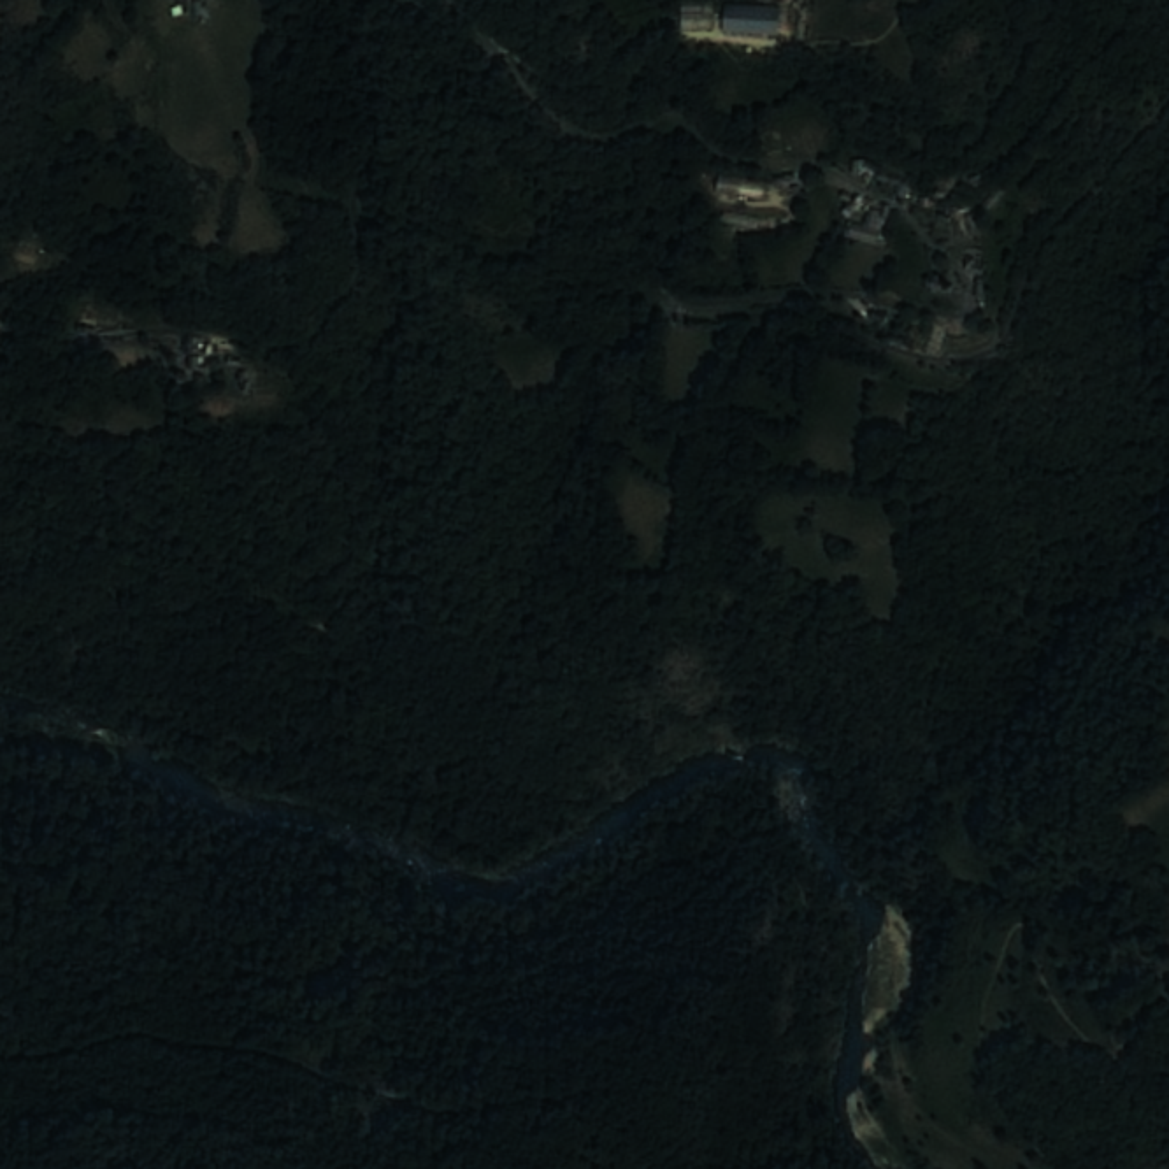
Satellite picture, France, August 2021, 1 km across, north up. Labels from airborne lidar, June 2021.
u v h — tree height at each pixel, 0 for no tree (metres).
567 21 12
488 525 16
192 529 15
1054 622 22
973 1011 0
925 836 27
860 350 6
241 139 11
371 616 23
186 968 17
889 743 11
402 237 15
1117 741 22
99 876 33
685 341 0
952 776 24
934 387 0
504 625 19
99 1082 13
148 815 20
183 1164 22
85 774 31
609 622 17
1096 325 23
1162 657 18
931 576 16
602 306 19
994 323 10
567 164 24
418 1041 15
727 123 17
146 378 15
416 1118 19
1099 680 20
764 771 19
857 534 0
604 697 22
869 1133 0
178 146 0
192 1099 21
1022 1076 21
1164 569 23
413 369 23
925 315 9
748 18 0
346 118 21
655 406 20
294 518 12
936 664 23
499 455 17
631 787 10
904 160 21
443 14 21
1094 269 24
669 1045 22
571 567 14
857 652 22
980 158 16
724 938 9
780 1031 6
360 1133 18
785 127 0
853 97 17
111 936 21
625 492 0
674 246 8
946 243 7
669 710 13
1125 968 11
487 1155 29
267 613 18
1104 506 21
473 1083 21
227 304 21
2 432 25
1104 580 39
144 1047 15
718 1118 21
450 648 19
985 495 19
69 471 19
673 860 11
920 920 20
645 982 13
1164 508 16
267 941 30
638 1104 23
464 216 15
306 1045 16
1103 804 18
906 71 0
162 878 20
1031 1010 0
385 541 24
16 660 21
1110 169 13
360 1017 23
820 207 0
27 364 27
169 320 15
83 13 14
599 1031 26
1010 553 24
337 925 23
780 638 16
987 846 16
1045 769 19
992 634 18
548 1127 25
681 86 27
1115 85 15
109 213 10
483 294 13
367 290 14
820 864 12
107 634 18
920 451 19
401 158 16
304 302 19
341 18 22
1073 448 21
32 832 9
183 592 10
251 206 0
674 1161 22
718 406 23
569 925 11
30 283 10
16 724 10
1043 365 10
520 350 0
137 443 16
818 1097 10
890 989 0
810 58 18
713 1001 21
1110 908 20
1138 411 22
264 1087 11
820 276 21
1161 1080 19
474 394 20
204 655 22
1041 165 11
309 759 27
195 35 0
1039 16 18
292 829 8
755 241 13
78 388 19
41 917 27
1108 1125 23
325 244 18
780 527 0
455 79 9
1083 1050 13
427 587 16
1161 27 18
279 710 16
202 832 31
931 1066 0
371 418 24
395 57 18
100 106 0
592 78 16
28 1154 22
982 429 18
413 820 26
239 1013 9
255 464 15
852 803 16
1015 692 24
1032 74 20
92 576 22
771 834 12
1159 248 22
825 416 0
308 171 12
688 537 22
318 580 13
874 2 0
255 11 0
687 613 23
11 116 12
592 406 30
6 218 20
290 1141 18
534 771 20
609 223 15
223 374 13
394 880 17
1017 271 16
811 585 8
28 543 15
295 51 23
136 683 24
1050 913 18
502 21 19
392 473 19
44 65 20
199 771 10
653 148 22
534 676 21
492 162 16
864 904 0
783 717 21
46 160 17
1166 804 0
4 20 7
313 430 15
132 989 26
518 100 21
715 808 17
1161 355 33
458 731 22
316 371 21
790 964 6
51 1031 16
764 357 17
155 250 7
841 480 14
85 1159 19
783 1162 8
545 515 24
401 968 11
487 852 10
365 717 19
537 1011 14
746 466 29
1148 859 14
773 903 6
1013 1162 0
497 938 6
